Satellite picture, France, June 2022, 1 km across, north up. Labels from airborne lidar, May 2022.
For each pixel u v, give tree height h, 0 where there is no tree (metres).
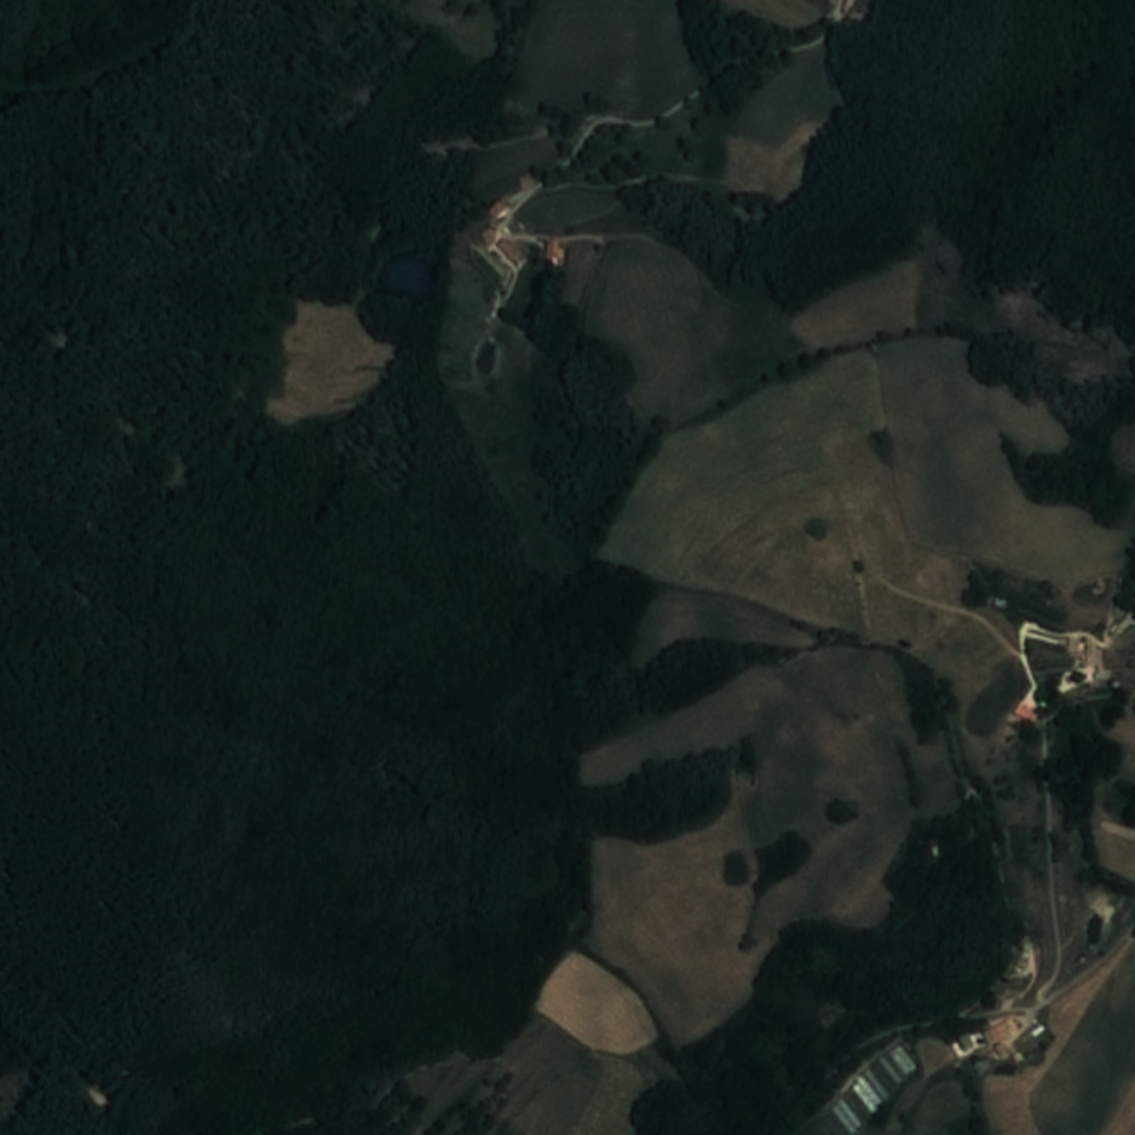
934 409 0
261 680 25
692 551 0
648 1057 0
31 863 23
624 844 0
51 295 21
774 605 0
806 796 0
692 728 0
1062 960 0
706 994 0
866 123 17
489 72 13
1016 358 14
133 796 17
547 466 8
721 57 16
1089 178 22
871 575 0
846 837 0
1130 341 17
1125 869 0
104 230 25
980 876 18
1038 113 26
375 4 7
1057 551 0
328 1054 18
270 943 11
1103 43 21
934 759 0
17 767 21
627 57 0
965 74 21
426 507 22
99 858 20
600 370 18
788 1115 14
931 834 7
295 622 25
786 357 0
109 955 21
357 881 15
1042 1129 0
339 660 25
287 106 24
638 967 0
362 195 22
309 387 0
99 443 24
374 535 21
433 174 18
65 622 19
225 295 19
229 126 23
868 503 0
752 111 0
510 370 0
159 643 23
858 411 0
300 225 16
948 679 6
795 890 0
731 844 0
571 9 0
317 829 17
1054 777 9
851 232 12
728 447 0
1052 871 0
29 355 19
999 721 0
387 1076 20
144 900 20
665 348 0
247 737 21
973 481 0
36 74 18
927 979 13
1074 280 19
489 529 22
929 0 23
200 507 22
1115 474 12
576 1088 0
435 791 21
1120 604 14
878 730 0
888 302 0
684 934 0
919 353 0
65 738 16
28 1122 27
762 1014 7
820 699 0
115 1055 21
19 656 18
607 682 20
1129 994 0
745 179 0
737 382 0
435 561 22
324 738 21
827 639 10
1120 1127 0
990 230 12
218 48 24
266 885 15
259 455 20
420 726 18
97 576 22
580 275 0
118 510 24
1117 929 0
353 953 17
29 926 23
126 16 19
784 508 0
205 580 26
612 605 20
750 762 10
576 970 0
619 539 0
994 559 0
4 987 23
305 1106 18
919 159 22
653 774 12
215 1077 17
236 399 23
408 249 6
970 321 0
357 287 16
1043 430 0
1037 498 7
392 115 18
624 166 12
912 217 18
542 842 8
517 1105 0
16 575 21
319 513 7
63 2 11
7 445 23
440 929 14
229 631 28
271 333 11
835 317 0
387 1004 18
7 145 25
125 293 22
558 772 9
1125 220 20
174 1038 15
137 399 24
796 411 0
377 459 23
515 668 13
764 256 22
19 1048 11
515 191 0
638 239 0
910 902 9
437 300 12
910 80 17
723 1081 9
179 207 25
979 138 17
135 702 20
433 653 21
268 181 22
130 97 24
